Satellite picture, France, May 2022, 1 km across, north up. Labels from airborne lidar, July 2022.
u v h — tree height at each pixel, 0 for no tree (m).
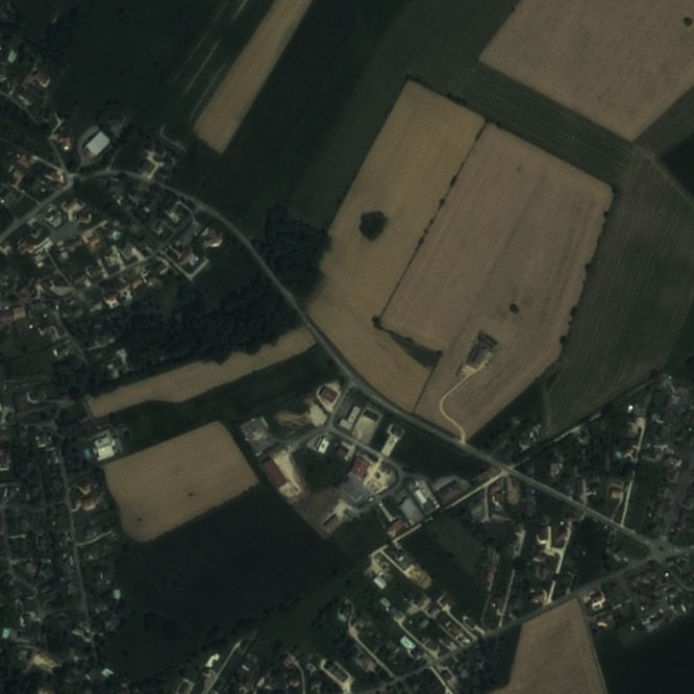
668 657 0
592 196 0
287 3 0
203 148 0
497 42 0
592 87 0
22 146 8
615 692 0
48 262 0
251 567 0
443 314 0
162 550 0
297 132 0
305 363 0
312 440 0
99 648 9
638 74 0
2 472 0
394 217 0
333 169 0
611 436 6
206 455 0
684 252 0
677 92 0
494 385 0
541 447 8
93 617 8
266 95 0
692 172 0
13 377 9
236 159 0
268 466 0
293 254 26
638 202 0
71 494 0
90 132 0
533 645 0
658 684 0
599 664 0
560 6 0
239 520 0
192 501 0
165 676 6
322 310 0
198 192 0
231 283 0
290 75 0
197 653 10
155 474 0
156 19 0
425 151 0
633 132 0
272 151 0
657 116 0
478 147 0
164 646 0
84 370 19
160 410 0
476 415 0
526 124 0
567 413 0
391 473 0
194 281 0
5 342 0
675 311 0
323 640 0
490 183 0
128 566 0
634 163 0
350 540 0
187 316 26
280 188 0
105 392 17
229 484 0
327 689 12
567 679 0
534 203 0
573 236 0
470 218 0
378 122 0
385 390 0
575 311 10
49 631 13
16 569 9
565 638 0
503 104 0
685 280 0
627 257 0
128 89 0
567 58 0
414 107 0
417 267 0
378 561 0
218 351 28
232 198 0
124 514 0
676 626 0
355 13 0
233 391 0
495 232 0
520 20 0
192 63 0
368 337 0
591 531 16
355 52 0
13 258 0
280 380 0
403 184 0
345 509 0
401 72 0
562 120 0
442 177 0
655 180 0
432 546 0
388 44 0
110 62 0
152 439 0
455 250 0
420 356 0
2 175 11
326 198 0
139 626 0
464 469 0
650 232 0
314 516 0
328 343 0
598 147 0
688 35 0
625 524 0
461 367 0
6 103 15
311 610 0
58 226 0
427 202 0
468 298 0
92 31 0
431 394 0
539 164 0
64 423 13
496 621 6
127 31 0
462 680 7
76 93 0
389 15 0
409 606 0
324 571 0
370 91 0
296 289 14
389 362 0
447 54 0
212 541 0
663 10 0
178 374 0
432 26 0
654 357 0
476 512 0
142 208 13
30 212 0
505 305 0
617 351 0
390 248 0
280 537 0
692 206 0
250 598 0
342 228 0
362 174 0
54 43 22
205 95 0
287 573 0
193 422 0
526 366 0
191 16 0
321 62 0
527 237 0
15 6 18
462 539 0
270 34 0
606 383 0
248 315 16
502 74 0
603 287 0
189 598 0
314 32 0
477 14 0
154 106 0
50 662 0
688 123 0
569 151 0
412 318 0
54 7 0
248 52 0
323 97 0
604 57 0
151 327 21
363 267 0
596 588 0
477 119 0
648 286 0
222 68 0
